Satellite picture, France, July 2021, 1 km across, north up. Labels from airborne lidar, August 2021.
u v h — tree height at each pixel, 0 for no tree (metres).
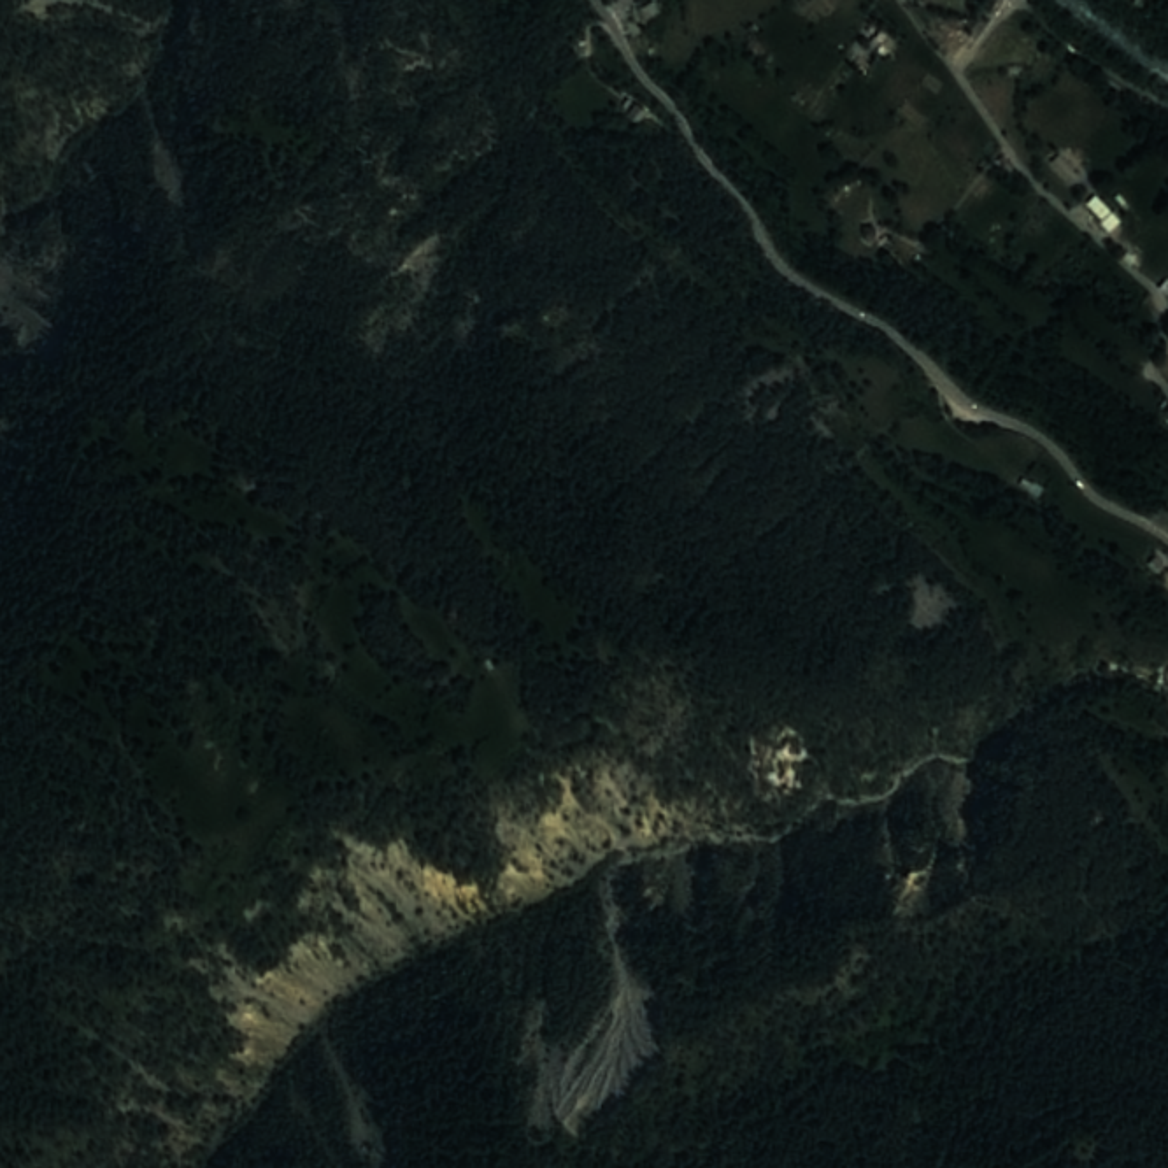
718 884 10
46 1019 8
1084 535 11
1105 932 7
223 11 17
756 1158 19
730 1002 10
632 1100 11
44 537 23
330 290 19
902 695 10
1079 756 14
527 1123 7
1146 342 15
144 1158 9
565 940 9
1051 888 12
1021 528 14
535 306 5
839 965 9
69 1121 12
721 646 17
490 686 0
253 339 16
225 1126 8
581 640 15
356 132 10
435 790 11
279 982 0
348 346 11
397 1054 27
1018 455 0
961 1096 25
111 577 22
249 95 12
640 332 13
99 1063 14
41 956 15
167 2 10
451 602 17
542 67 10
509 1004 7
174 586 22
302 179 14
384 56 10
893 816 9
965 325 16
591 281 13
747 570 14
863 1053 8
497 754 0
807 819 6
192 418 9
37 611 22
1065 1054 16
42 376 17
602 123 11
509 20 22
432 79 7
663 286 13
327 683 14
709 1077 13
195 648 15
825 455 10
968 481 7
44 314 9
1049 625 0
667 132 13
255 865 6
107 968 8
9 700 14
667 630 19
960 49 0
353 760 0
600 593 22
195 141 17
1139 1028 18
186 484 14
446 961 14
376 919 0
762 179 17
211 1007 5
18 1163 22
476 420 23
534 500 19
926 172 0
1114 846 16
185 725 8
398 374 9
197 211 13
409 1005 12
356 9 10
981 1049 18
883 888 7
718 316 16
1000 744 13
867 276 23
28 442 16
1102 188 15
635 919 9
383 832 6
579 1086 0
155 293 20
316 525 18
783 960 16
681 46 0
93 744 19
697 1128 10
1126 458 13
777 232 14
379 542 16
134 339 23
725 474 13
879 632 13
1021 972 14
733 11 0
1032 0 7
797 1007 8
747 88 0
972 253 20
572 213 12
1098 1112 16
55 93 8
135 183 7
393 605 14
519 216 8
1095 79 20
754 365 14
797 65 0
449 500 21
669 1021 13
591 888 6
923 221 0
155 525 23
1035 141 8
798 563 12
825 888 10
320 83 12
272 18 15
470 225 8
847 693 9
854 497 12
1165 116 13
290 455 22
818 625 17
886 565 16
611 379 11
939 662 11
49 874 8
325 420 20
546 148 14
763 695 6
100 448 11
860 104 0
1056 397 18
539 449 17
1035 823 13
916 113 0
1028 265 10
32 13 8
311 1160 12
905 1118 13
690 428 11
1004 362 13
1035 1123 21
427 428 18
